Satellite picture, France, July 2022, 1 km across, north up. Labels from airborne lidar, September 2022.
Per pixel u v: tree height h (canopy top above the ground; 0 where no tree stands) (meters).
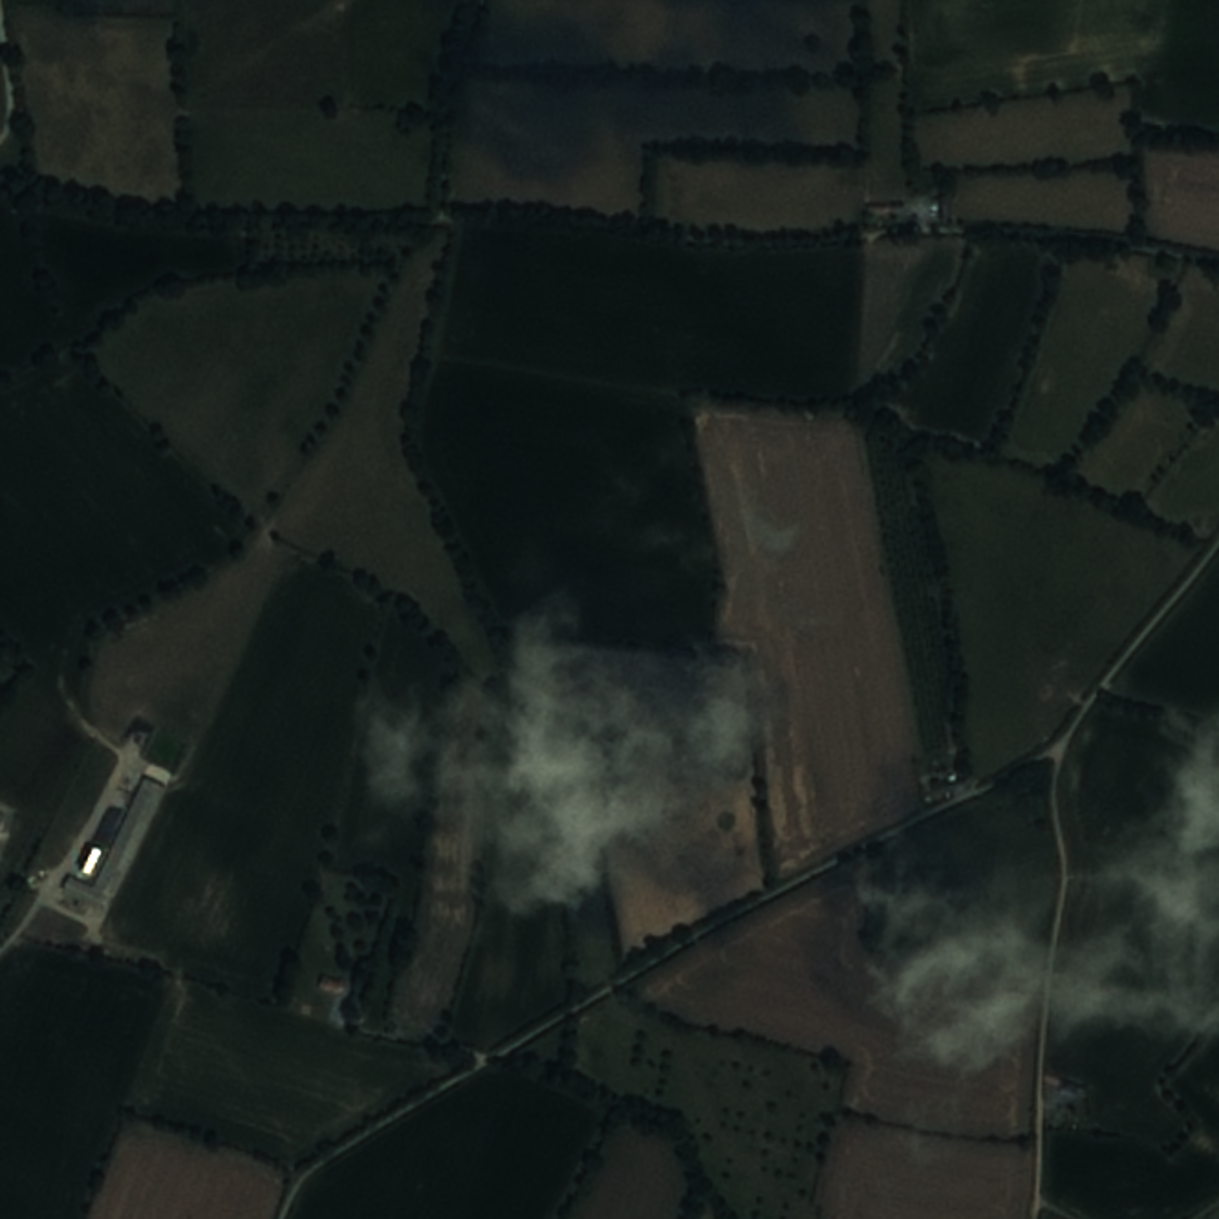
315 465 0
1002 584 0
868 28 11
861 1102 0
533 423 0
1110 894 0
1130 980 0
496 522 0
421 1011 0
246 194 0
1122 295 0
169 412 0
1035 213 0
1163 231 0
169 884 0
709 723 0
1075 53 0
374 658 15
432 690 0
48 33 0
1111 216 0
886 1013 0
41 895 0
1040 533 0
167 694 0
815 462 0
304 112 0
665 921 0
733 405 10
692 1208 18
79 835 0
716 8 0
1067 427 0
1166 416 0
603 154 0
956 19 0
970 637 0
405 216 12
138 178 0
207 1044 0
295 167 0
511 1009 0
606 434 0
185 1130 10
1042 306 11
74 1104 0
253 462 0
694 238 13
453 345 0
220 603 0
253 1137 0
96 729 0
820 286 0
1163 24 0
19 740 0
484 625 9
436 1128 0
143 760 0
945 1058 0
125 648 0
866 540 0
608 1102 12
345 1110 0
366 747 0
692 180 0
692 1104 0
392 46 0
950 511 0
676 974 0
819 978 0
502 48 0
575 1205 10
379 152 0
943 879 0
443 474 0
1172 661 0
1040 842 0
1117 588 0
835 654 0
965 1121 0
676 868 0
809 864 0
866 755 0
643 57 0
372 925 8
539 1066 16
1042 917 0
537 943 0
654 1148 0
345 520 0
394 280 13
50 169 0
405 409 11
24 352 0
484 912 15
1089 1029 0
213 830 0
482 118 0
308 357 0
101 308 0
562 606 0
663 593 0
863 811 0
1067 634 0
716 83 17
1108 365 0
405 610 14
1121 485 0
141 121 0
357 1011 12
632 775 0
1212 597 0
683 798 0
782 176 0
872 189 0
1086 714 0
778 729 0
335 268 12
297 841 0
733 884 0
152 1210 0
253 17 0
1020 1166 0
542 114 0
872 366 0
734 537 0
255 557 0
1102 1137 9
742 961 0
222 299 0
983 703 0
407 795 0
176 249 0
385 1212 0
